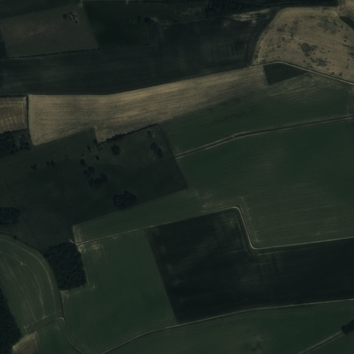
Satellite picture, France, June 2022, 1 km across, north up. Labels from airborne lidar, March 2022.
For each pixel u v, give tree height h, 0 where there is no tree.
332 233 0
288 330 0
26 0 0
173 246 0
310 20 0
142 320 0
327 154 0
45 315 0
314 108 0
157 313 0
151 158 0
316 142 0
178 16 0
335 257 0
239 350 0
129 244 0
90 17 0
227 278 0
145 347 0
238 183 0
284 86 0
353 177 0
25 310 0
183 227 0
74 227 0
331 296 0
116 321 0
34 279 0
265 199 0
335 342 0
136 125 0
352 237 0
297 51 0
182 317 0
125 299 0
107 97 0
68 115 0
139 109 0
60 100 0
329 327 0
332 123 0
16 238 10
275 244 0
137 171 0
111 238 0
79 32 0
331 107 0
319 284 0
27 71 0
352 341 0
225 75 0
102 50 0
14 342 15
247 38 0
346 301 0
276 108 0
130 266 0
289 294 0
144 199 0
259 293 0
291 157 0
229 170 0
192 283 0
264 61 0
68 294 0
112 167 0
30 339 0
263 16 0
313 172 0
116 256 0
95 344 0
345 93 0
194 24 0
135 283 0
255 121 0
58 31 0
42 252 0
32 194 0
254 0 0
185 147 0
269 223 0
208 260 0
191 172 0
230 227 0
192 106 0
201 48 0
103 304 0
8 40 0
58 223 0
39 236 0
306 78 0
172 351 0
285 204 0
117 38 0
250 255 0
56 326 0
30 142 0
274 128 0
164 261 0
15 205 0
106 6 0
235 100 0
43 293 0
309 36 0
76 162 0
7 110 0
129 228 0
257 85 0
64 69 0
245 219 0
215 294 0
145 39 0
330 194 0
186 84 0
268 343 0
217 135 0
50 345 0
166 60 0
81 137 0
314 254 0
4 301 17
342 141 0
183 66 0
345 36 0
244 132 0
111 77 0
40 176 0
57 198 0
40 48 0
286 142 0
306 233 0
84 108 0
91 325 0
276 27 0
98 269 0
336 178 0
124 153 0
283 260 0
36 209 0
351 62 0
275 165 0
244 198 0
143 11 0
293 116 0
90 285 0
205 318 0
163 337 0
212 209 0
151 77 0
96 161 0
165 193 0
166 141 0
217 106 0
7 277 0
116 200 18
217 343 0
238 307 0
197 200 0
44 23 0
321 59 0
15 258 0
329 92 0
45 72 0
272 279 0
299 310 0
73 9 0
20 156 0
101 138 0
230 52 0
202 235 0
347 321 0
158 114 0
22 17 0
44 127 0
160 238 0
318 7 0
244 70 0
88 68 0
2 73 0
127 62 0
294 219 0
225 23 0
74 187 0
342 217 0
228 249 0
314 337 0
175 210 0
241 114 0
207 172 0
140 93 0
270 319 0
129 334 0
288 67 0
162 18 0
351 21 0
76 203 0
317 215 0
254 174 0
